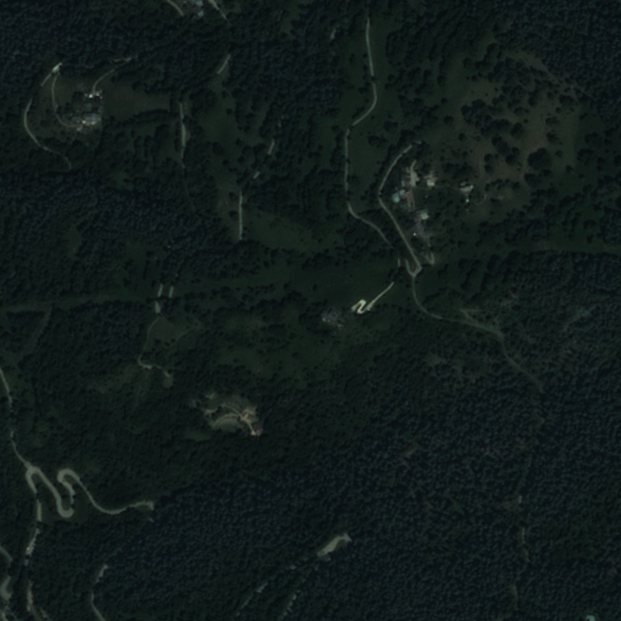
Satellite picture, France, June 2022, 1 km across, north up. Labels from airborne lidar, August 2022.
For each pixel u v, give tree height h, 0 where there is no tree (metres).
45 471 11
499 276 16
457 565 28
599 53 20
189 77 17
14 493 18
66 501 16
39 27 26
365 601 22
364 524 25
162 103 0
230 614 15
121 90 0
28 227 22
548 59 20
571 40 11
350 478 27
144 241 14
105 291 15
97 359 15
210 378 11
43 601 17
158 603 15
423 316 12
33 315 17
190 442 16
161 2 7
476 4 23
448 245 8
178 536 22
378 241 14
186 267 18
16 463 16
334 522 23
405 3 17
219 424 0
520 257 20
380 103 0
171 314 19
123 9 12
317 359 0
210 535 31
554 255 9
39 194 16
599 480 18
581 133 0
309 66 24
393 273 10
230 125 0
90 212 22
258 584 16
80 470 10
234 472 24
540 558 19
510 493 29
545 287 13
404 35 13
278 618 19
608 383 29
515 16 29
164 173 21
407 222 8
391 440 20
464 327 9
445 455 31
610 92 10
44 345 16
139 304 7
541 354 8
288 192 14
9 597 0
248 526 33
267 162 14
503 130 20
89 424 12
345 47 18
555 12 18
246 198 7
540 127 0
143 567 22
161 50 27
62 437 15
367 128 0
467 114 22
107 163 17
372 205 5
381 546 29
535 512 7
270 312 10
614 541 8
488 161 13
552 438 31
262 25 20
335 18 21
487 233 11
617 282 31
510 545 23
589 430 32
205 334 10
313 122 15
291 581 10
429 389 30
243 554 10
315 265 13
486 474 31
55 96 0
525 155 0
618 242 22
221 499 32
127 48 8
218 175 0
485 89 0
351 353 9
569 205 22
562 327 6
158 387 13
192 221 27
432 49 11
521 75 22
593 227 18
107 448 12
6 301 8
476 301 14
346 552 12
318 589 18
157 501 19
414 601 22
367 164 0
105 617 16
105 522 10
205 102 18
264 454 21
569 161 0
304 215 18
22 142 19
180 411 21
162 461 10
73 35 35
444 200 8
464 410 9
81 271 21
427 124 11
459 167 9
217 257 20
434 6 27
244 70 13
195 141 12
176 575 28
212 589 23
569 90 8
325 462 23
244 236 9
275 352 9
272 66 26
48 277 26
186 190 9
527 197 0
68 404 18
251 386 12
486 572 20
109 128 18
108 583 19
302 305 18
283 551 23
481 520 31
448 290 7
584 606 31
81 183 31
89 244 16
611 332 18
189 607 20
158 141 13
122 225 26
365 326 6
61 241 11
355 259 16
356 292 0
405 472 31
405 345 11
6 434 15
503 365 12
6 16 33
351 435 15
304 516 19
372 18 12
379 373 14
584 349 6
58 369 17
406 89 9
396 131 15
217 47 21
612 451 32
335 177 18
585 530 8
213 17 13
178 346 6
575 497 30
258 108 16
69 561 14
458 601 28
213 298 7
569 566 19
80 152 23
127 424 9
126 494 11
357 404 17
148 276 7
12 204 21
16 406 14
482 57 0
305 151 18
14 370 7
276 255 20
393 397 7
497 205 15
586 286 25
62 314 18
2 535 28
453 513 26
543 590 23
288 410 15
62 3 22
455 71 0
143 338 19
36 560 16
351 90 13
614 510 24
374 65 0
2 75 28
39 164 20
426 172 10
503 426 19
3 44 30
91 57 10
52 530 6
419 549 27
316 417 23
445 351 12
